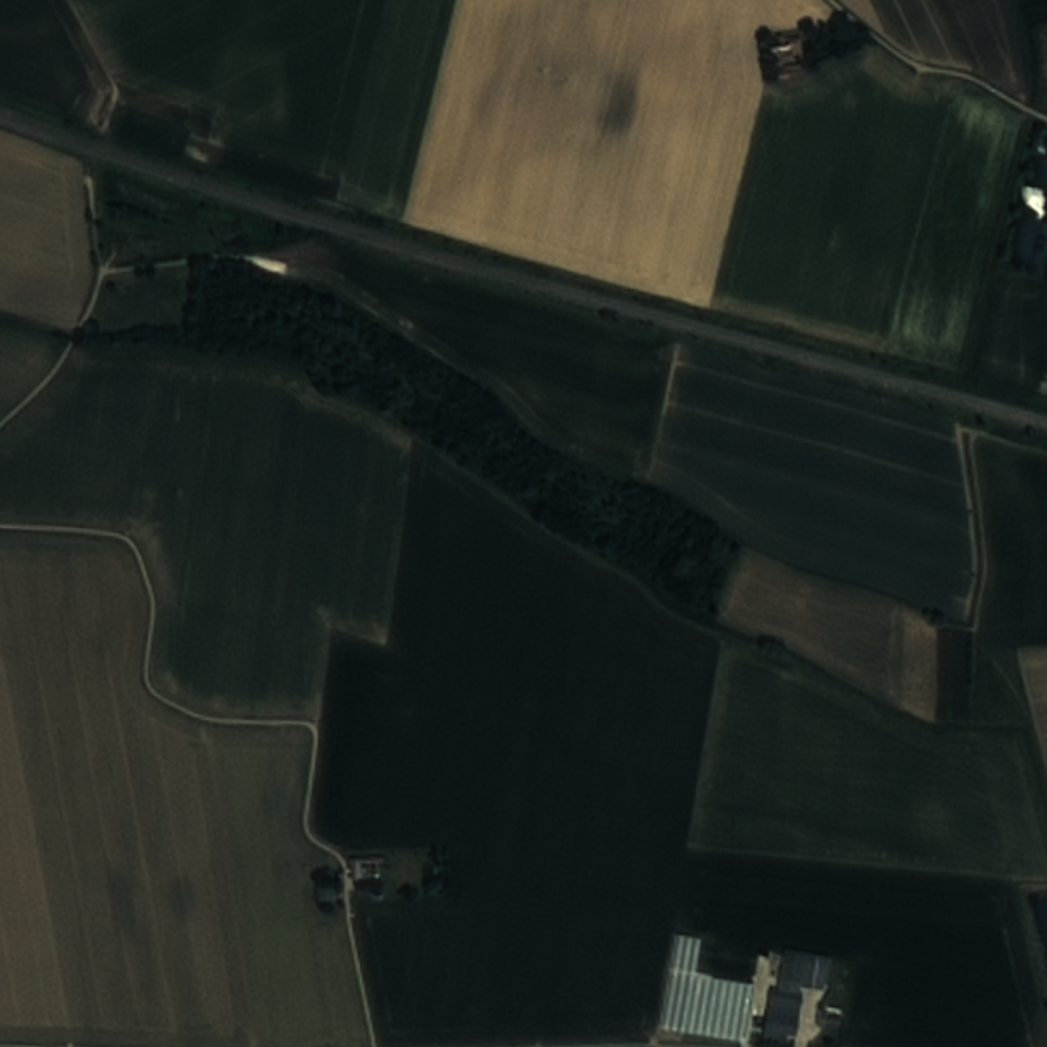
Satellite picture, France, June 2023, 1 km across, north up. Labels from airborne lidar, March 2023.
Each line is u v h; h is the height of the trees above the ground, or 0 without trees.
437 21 0
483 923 0
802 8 0
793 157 0
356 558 0
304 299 13
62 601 0
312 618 0
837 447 0
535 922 0
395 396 14
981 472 0
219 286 9
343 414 0
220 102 0
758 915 0
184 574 0
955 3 0
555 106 0
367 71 0
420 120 0
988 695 0
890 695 0
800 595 0
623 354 0
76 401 0
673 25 0
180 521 0
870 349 0
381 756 0
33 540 0
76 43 0
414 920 0
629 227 0
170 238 0
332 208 0
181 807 0
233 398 0
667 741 0
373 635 0
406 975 0
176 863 0
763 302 0
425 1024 0
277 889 0
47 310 0
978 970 0
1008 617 0
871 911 0
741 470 0
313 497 0
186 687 0
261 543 0
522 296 0
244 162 0
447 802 0
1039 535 0
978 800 0
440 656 0
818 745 0
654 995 0
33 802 0
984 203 0
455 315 0
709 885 0
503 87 0
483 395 11
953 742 0
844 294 0
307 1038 0
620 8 0
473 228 0
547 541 0
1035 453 0
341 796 0
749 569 0
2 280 0
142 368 0
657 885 0
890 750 0
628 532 8
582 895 0
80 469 0
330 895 0
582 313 0
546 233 0
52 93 0
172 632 0
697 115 0
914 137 0
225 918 0
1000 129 0
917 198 0
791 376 0
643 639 0
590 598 0
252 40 0
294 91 0
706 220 0
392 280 0
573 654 0
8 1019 0
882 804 0
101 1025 0
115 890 0
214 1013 0
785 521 0
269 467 0
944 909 0
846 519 0
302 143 0
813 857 0
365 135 0
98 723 0
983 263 0
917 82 0
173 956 0
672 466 0
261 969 0
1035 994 0
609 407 0
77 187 0
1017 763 0
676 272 0
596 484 0
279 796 0
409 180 0
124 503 0
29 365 0
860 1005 0
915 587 0
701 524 13
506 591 0
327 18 0
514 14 0
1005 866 0
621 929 0
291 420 0
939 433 0
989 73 0
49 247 0
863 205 0
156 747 0
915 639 0
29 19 0
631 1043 0
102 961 0
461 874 0
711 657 0
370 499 0
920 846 0
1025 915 0
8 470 0
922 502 0
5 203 0
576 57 0
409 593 0
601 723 0
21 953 0
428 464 0
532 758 0
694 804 0
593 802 0
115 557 0
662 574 8
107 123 0
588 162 0
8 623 0
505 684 0
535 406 0
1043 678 0
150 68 0
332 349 7
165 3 0
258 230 0
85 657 0
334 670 0
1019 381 0
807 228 0
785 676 0
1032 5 0
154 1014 0
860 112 0
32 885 0
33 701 0
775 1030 0
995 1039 0
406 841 0
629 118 0
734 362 0
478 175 0
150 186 0
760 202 0
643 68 0
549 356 0
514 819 0
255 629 0
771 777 0
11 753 0
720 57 0
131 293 0
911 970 0
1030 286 0
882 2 0
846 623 0
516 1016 0
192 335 8
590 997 0
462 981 0
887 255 0
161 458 0
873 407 0
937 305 0
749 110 0
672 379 0
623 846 0
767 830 0
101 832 0
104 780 0
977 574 0
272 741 0
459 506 0
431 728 0
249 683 0
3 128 0
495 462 11
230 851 0
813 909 0
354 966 0
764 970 0
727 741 0
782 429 0
